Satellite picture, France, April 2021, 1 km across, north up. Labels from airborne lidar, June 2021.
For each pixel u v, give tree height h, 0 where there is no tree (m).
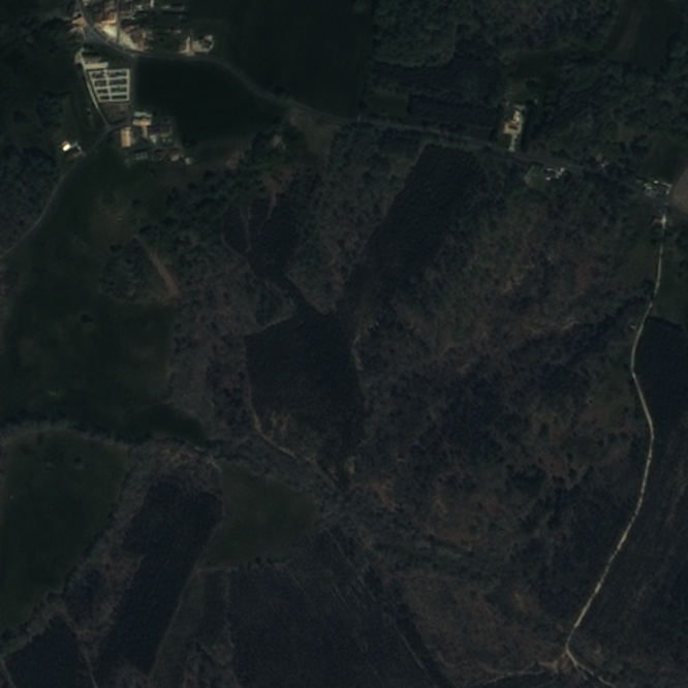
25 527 0
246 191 11
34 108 0
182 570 6
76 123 0
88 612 18
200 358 15
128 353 0
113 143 10
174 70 0
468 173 8
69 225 0
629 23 0
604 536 10
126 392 0
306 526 0
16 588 0
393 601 12
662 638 18
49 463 0
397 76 12
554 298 17
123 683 11
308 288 14
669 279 0
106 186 0
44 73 0
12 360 0
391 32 6
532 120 15
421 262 8
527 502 8
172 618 10
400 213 8
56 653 11
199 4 0
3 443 16
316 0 0
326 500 16
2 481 8
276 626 14
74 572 12
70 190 0
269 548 0
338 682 15
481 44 7
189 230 17
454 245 9
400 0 13
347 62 0
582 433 8
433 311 14
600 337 13
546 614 24
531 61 0
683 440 8
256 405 8
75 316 0
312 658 14
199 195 18
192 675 12
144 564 8
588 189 7
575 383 16
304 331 9
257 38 0
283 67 0
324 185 14
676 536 8
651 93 9
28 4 0
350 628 12
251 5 0
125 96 0
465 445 17
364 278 8
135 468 12
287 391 6
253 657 17
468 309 19
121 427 0
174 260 16
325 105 0
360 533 12
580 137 8
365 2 20
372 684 12
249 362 7
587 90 16
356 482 16
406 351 6
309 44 0
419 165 8
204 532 10
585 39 25
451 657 6
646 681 12
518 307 10
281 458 14
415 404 18
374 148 15
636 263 0
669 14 0
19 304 0
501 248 13
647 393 6
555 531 16
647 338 8
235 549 0
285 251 9
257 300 13
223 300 14
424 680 13
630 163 13
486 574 7
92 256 0
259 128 0
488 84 10
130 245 0
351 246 8
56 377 0
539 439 14
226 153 0
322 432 8
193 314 9
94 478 0
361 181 13
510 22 15
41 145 0
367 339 16
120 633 7
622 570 8
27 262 0
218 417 6
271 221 8
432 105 17
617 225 12
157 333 0
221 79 0
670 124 14
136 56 0
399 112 0
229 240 8
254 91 0
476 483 6
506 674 0
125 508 19
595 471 13
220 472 0
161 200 0
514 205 13
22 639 18
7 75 0
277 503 0
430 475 12
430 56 14
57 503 0
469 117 14
